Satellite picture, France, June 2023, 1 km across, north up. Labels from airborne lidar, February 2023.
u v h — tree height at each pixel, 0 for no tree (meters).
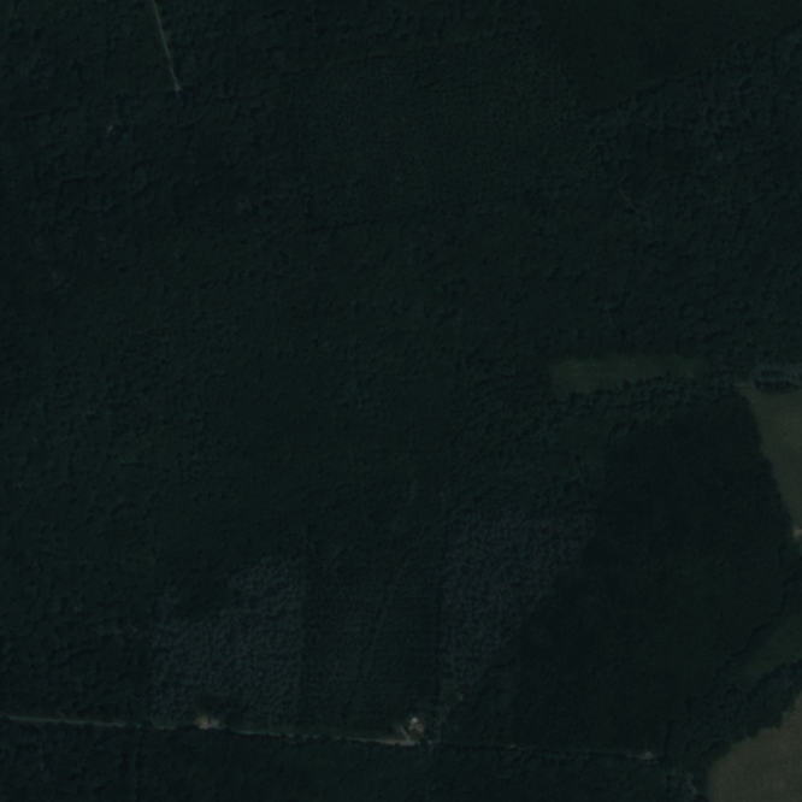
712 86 28
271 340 23
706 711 23
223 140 31
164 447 14
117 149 32
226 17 26
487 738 23
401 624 7
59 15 26
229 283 22
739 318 24
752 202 25
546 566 28
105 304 20
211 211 31
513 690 14
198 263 22
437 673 14
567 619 16
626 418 16
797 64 23
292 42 26
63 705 27
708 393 16
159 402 24
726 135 31
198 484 22
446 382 23
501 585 27
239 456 24
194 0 24
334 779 21
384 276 25
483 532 28
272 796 29
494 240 28
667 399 22
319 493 22
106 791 30
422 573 7
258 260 28
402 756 21
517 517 25
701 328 28
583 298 27
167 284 21
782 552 25
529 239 29
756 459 18
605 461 14
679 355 25
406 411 25
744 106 29
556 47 14
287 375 22
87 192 33
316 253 29
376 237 26
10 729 30
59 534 25
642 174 28
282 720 30
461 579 28
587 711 14
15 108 28
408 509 22
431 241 29
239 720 24
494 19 25
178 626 32
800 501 0
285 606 30
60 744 32
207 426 23
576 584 16
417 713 22
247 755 27
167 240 23
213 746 30
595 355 24
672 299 28
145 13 23
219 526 22
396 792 24
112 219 32
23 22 28
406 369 22
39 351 21
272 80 26
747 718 19
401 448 17
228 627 32
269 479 22
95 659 32
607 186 23
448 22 28
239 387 19
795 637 0
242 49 31
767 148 29
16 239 28
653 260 30
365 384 20
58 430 23
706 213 27
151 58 25
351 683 6
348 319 23
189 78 29
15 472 23
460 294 26
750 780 0
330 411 25
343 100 17
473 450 20
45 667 29
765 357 15
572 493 22
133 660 30
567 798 30
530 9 26
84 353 21
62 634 29
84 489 24
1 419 21
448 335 24
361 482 19
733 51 10
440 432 22
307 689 6
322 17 26
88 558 25
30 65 32
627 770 26
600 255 25
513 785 30
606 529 20
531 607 23
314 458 22
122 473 22
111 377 20
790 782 0
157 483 20
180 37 20
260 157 30
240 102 33
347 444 23
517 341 27
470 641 25
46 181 30
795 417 0
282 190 33
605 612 15
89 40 31
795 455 0
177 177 31
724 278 27
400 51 26
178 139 29
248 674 31
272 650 25
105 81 26
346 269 30
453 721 15
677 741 23
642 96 27
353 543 22
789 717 0
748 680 0
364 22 31
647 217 19
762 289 22
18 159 25
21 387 25
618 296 24
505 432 18
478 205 23
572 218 27
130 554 24
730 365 19
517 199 25
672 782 22
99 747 25
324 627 7
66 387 21
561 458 23
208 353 23
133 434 21
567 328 26
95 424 22
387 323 23
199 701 20
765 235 30
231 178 27
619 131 29
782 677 20
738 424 17
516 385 22
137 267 20
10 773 31
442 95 18
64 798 32
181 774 27
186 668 32
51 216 29
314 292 29
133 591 27
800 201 27
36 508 24
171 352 26
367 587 7
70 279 22
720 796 0
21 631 24
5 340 23
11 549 27
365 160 17
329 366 22
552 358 25
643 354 22
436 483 18
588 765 22
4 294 24
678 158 32
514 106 17
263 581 32
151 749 29
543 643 15
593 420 20
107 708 30
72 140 34
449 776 26
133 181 31
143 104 31
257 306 23
